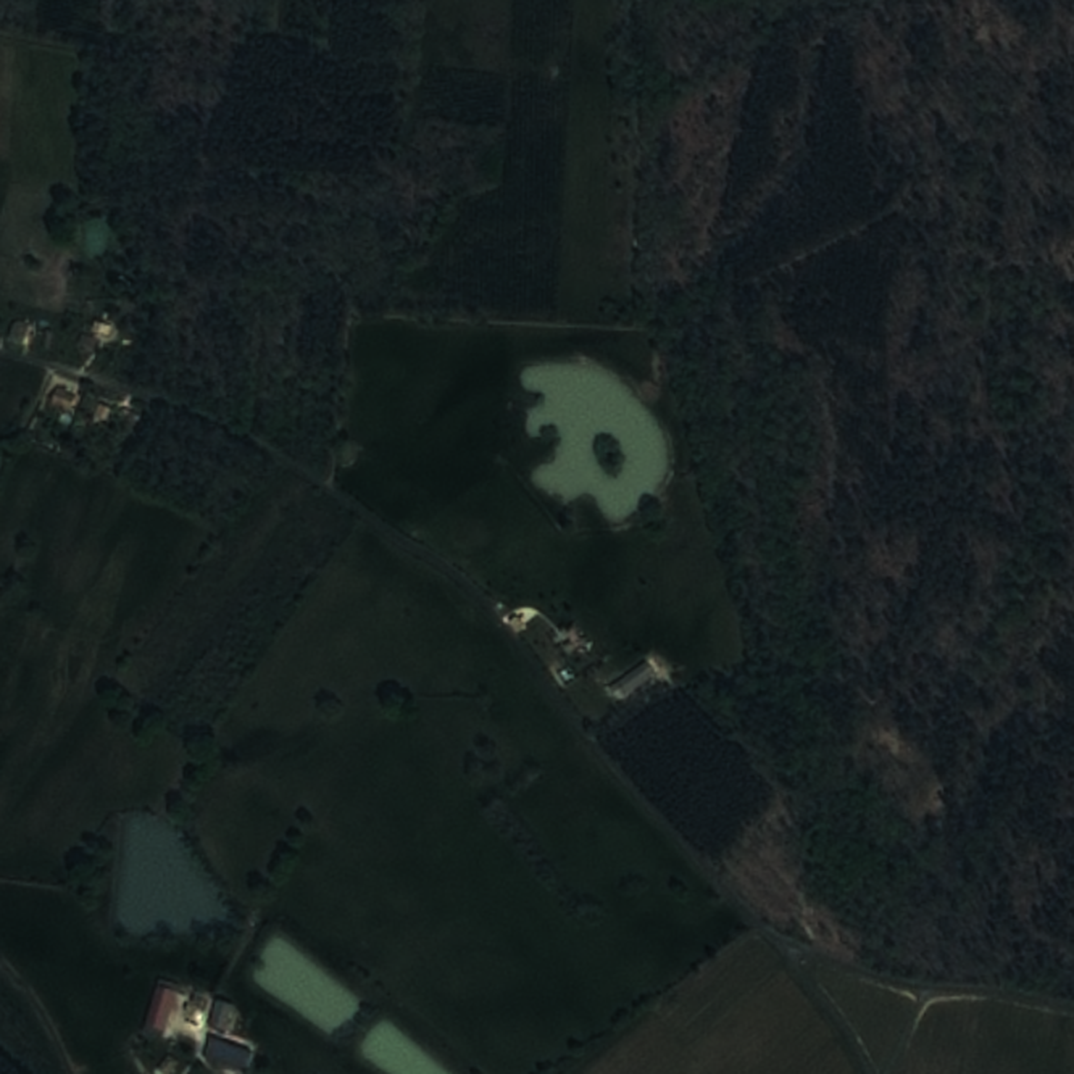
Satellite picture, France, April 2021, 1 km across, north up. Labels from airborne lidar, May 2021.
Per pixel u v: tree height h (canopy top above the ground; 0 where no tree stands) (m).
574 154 0
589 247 0
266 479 17
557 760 0
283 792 0
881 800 17
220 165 17
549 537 0
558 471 0
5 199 0
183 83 8
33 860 0
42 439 10
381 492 0
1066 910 17
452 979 0
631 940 0
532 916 0
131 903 0
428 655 0
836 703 24
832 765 17
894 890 18
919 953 12
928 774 0
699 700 9
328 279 20
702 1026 0
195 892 0
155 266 12
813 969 0
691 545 0
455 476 0
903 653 16
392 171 8
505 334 0
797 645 18
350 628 0
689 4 17
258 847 0
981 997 0
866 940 14
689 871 0
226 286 15
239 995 0
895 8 15
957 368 13
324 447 18
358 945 0
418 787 0
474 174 8
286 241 8
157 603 0
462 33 0
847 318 8
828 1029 0
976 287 19
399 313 11
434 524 0
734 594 14
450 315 14
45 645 0
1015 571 13
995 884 11
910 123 16
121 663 9
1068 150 15
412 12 12
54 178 0
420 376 0
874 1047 0
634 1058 0
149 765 0
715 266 9
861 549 21
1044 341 17
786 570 17
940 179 12
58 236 17
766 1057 0
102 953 0
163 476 21
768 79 15
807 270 9
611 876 0
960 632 11
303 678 0
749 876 6
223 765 13
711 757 12
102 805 0
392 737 0
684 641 0
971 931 12
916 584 19
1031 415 23
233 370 15
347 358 17
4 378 0
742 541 15
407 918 0
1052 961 19
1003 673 18
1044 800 24
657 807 12
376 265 18
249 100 15
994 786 10
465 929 0
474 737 0
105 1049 0
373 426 0
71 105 0
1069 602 13
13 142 0
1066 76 14
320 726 0
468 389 0
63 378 0
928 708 16
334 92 18
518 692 0
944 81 25
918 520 18
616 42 15
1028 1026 0
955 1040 0
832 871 18
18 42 0
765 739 19
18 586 16
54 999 0
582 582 0
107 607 0
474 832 0
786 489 20
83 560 0
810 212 14
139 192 23
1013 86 12
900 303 11
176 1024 0
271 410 12
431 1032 0
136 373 9
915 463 19
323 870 0
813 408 16
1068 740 23
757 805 14
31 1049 10
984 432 19
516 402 0
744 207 16
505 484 0
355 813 0
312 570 7
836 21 11
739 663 0
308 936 0
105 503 0
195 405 16
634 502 0
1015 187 9
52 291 0
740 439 19
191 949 0
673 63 16
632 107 15
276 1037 0
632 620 0
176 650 0
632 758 13
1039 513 15
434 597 0
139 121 15
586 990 0
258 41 19
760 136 15
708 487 17
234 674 7
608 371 0
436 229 12
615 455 9
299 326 10
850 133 19
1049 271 17
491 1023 0
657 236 14
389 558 0
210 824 0
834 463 15
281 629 11
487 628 0
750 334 20
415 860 0
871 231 7
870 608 14
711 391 18
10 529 0
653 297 17
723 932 0
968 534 8
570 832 0
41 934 0
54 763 0
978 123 8
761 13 15
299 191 7
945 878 15
